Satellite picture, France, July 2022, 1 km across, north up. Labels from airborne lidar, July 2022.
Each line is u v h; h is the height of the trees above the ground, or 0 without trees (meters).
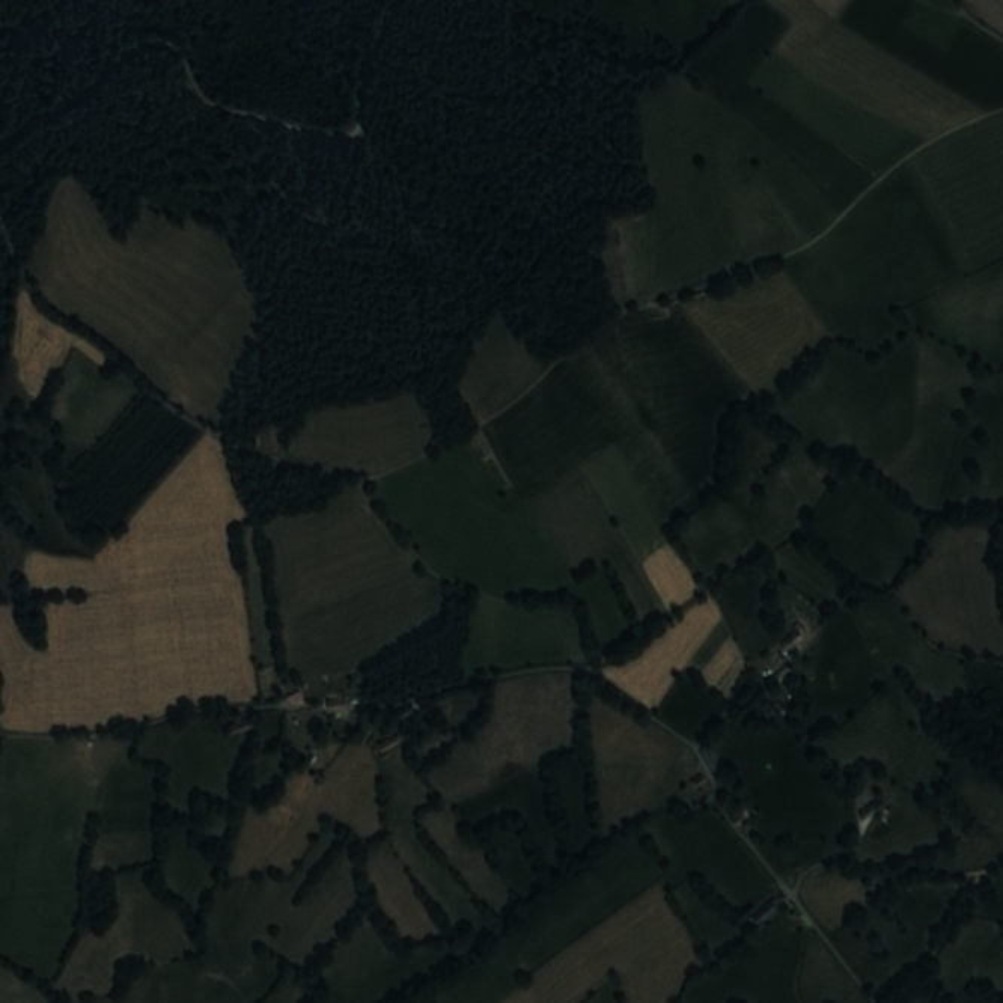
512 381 0
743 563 16
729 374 0
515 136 27
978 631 0
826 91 0
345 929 19
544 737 0
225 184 0
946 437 0
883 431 0
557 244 22
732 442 20
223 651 0
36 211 20
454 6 28
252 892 0
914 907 0
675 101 0
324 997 16
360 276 21
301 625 0
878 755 0
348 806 0
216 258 0
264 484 13
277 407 23
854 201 0
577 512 0
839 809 0
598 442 0
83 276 0
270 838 0
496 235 24
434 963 0
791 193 0
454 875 11
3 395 0
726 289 20
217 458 0
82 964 0
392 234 21
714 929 0
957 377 0
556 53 27
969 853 0
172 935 0
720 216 0
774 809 0
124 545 0
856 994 0
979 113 0
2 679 13
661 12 0
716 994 0
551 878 8
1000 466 0
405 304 24
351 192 22
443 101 25
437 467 0
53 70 7
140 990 0
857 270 0
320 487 15
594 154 8
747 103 0
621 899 0
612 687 13
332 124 9
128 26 21
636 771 0
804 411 0
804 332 0
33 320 0
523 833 17
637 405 0
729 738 0
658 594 0
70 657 0
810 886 0
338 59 19
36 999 0
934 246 0
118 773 0
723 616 0
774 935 0
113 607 0
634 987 0
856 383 0
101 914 14
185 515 0
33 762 0
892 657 0
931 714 23
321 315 18
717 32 17
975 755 32
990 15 0
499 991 0
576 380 0
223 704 15
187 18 6
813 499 0
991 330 0
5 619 0
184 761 0
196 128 6
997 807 0
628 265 0
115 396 0
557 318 20
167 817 16
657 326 0
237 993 0
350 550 0
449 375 23
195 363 0
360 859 16
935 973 20
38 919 0
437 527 0
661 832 0
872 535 0
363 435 0
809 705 9
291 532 0
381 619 0
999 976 0
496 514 0
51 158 16
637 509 0
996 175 0
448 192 29
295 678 14
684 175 0
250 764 11
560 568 0
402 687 16
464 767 0
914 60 0
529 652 0
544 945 0
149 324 0
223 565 0
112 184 16
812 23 0
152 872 17
